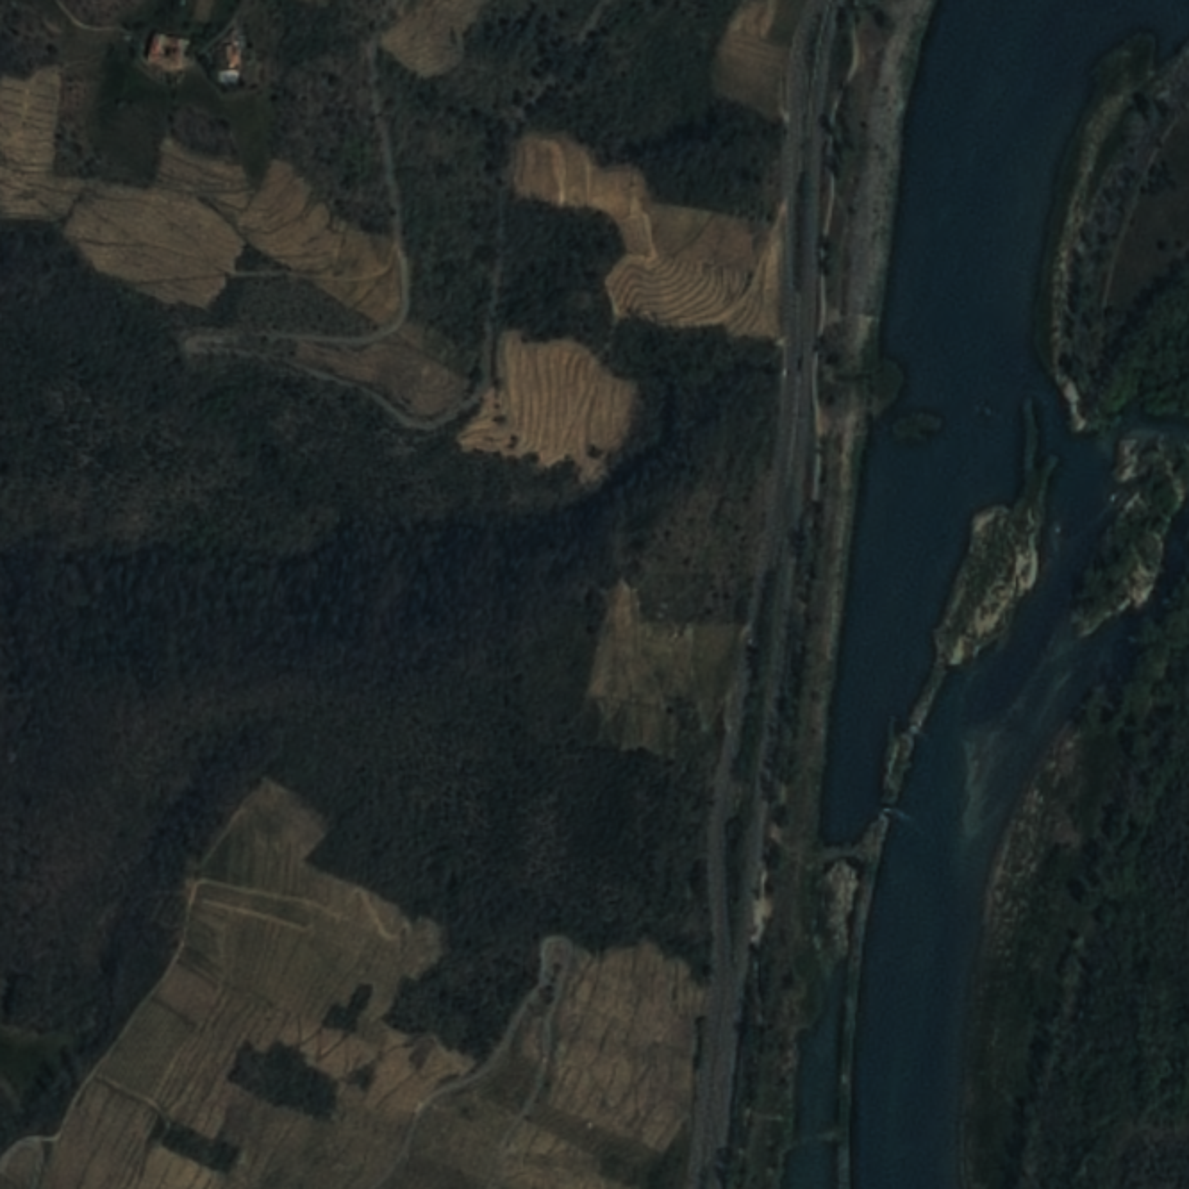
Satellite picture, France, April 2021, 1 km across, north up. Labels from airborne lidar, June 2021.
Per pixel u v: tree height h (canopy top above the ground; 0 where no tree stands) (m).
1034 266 0
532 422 0
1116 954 18
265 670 12
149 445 8
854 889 0
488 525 8
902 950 0
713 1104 0
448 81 7
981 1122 0
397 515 17
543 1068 0
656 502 14
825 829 0
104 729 10
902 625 0
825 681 0
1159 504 10
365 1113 0
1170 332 30
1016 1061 0
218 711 9
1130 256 0
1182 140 0
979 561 0
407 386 0
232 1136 0
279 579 7
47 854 9
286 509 8
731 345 8
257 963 0
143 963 9
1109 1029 17
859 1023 0
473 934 8
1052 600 0
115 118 0
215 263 0
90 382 6
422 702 8
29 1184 0
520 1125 0
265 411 7
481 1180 0
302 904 0
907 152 0
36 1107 19
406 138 7
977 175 0
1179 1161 7
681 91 9
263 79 8
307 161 8
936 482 0
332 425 7
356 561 10
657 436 17
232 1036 0
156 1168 0
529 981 7
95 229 0
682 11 7
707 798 6
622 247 16
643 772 8
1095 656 0
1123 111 0
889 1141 0
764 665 0
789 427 0
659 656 0
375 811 8
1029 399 0
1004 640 0
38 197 0
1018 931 0
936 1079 0
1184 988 13
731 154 12
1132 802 28
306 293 6
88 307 12
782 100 0
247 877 0
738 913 0
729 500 6
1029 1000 0
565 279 13
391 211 9
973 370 0
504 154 19
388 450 8
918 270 0
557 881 7
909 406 0
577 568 10
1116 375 25
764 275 0
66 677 14
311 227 0
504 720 7
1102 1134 12
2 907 8
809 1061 0
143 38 7
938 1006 0
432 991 8
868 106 0
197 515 10
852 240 0
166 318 8
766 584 0
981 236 0
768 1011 13
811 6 0
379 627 14
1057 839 0
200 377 9
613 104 9
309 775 8
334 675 6
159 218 0
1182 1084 18
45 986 16
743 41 0
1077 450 0
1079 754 0
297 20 10
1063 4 0
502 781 6
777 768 16
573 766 7
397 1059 0
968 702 0
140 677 12
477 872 6
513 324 8
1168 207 0
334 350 0
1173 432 0
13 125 0
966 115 0
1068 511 0
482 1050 7
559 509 13
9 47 9
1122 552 6
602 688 0
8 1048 0
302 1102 9
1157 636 25
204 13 0
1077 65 0
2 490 10
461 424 9
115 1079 0
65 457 7
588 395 0
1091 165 0
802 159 0
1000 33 0
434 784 13
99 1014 16
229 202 0
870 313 0
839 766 0
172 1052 0
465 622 8
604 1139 0
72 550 18
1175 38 0
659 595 0
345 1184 0
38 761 16
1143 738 12
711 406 14
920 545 0
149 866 13
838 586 0
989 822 0
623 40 6
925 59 0
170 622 10
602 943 8
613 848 9
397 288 0
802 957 0
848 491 0
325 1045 0
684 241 0
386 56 13
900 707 0
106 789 11
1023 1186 23
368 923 0
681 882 8
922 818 0
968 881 0
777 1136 0
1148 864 7
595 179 0
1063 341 0
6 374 9
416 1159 0
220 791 11
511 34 19
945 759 0
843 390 0
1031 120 0
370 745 8
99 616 11
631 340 20
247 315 6
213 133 8
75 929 16
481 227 13
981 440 0
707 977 11
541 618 11
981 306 0
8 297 9
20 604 21
